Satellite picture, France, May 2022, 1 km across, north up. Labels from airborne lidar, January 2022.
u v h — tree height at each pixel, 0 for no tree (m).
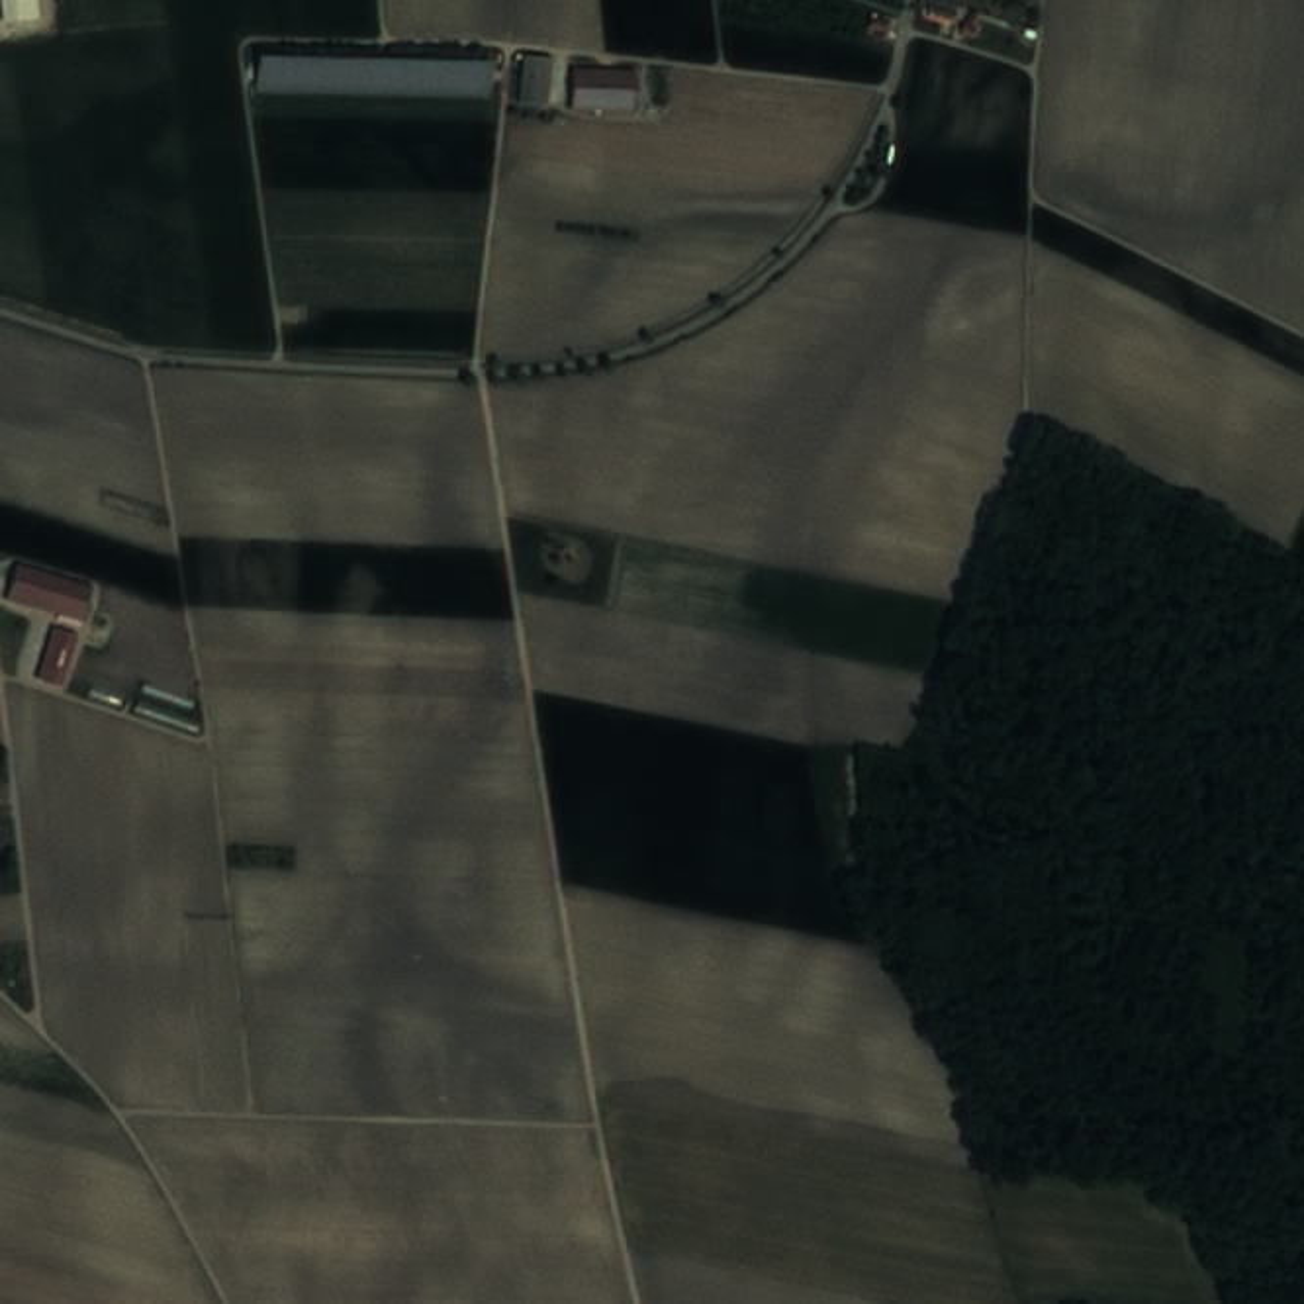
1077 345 0
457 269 0
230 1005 0
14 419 0
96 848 0
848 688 0
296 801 0
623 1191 0
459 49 8
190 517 0
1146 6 0
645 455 0
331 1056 0
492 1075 0
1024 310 0
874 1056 0
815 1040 0
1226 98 0
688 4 0
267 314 0
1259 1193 24
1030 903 22
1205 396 0
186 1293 0
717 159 0
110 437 0
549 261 0
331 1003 0
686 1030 0
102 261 0
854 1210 0
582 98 0
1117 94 0
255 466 0
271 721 0
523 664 0
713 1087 0
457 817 0
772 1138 0
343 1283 0
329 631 0
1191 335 0
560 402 0
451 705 0
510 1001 0
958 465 0
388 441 0
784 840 0
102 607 0
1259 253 0
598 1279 0
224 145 0
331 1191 0
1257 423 0
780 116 0
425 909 0
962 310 0
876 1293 0
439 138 0
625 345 0
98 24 0
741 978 0
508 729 0
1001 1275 0
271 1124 0
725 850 0
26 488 0
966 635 22
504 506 0
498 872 0
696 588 0
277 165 0
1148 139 0
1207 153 0
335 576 0
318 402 0
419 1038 0
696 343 0
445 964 0
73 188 0
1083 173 0
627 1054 0
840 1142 0
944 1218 0
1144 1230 0
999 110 0
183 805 0
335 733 0
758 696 0
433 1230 0
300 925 0
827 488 0
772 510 0
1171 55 0
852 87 0
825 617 0
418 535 0
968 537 0
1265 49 0
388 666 0
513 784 0
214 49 0
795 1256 0
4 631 0
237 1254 0
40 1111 0
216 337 0
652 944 0
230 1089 0
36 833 0
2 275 0
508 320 0
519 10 0
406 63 0
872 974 0
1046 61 0
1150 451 0
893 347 0
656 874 0
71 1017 0
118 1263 0
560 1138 0
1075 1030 18
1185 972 20
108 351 0
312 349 0
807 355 0
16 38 0
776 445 0
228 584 0
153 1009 0
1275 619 23
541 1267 0
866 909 24
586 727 0
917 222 0
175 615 0
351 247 0
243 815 0
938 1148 0
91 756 0
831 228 0
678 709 0
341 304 0
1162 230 0
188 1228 0
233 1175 0
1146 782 25
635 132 0
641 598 0
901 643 0
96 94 0
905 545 0
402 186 0
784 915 0
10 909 0
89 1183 0
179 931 0
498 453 0
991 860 24
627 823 0
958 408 0
